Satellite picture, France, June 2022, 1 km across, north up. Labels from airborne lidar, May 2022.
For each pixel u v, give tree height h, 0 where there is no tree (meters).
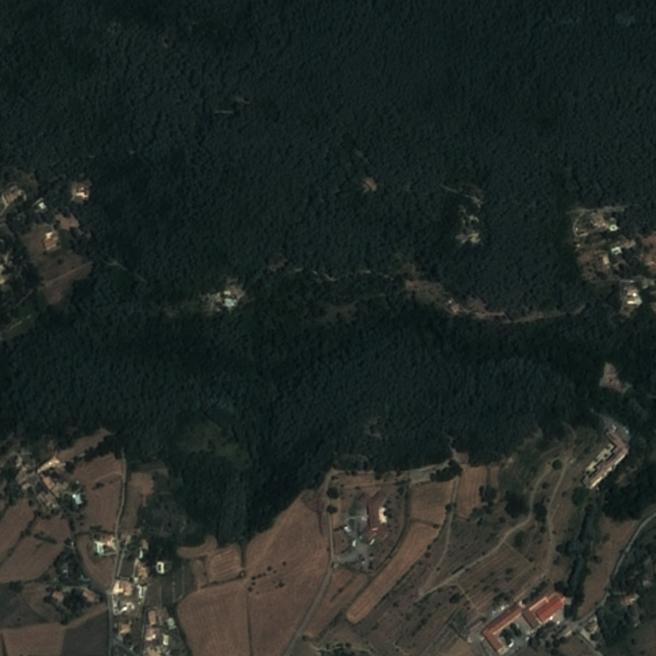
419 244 20
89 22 14
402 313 16
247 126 27
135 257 22
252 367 18
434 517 0
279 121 28
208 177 20
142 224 23
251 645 0
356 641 0
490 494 15
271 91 33
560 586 16
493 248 22
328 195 26
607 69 23
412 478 0
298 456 19
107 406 20
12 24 19
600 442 9
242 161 20
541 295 24
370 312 12
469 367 23
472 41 21
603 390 15
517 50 18
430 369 24
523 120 21
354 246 26
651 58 24
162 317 12
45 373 18
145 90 25
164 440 15
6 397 16
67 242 0
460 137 23
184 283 22
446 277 21
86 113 19
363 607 0
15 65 26
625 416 14
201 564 0
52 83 13
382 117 25
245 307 8
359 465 8
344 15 23
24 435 8
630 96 24
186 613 0
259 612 0
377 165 25
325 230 26
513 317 18
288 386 17
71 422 7
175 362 17
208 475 8
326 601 0
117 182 20
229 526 17
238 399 23
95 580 0
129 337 8
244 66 17
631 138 22
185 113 26
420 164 23
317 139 33
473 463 8
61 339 13
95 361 9
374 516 0
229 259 29
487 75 18
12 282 6
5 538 0
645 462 7
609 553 0
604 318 16
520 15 15
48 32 15
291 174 26
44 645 0
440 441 19
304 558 0
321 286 13
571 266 6
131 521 0
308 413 21
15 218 15
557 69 24
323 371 22
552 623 10
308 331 15
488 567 0
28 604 0
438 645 0
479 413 22
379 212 23
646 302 6
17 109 25
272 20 23
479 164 25
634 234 15
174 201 21
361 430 15
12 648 0
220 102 12
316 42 26
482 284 22
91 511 0
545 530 15
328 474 12
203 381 11
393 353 25
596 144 20
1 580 0
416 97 25
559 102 24
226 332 24
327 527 0
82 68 12
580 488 11
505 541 0
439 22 24
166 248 13
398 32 24
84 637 0
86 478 0
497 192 22
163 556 6
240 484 20
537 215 23
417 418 18
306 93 23
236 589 0
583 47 22
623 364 9
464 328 12
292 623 0
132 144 11
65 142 22
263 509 15
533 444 0
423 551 0
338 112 21
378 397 21
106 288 24
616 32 22
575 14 26
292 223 23
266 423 18
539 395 22
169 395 28
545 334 20
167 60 21
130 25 8
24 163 20
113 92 12
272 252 28
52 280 0
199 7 22
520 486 0
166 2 20
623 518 14
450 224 10
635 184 22
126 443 10
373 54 21
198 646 0
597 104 23
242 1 21
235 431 19
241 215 20
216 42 11
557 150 21
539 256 25
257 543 0
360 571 0
